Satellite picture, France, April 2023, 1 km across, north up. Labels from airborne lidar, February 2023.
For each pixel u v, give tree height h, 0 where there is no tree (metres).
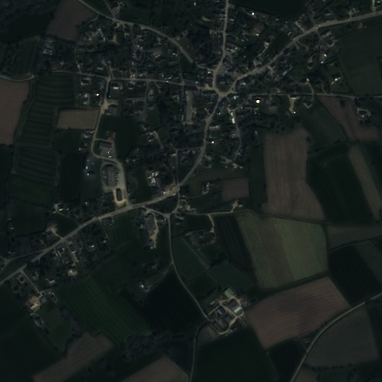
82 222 11
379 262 0
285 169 0
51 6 16
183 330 0
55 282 10
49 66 14
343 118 0
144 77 6
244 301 0
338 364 0
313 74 10
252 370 0
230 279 0
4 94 0
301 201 0
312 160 0
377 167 0
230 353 0
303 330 0
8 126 0
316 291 0
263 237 0
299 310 0
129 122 0
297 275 0
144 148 10
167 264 0
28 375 0
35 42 0
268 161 0
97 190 0
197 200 0
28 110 0
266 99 0
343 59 0
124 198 0
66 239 0
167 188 0
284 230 0
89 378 0
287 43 0
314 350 0
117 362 0
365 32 0
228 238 0
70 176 0
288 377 0
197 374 0
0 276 0
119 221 0
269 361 0
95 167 0
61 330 0
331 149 0
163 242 0
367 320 0
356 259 0
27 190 0
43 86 0
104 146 0
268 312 0
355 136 0
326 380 0
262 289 0
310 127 0
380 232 0
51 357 0
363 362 0
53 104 0
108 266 0
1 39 0
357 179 0
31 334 0
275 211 0
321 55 0
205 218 0
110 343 0
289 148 0
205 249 0
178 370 0
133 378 0
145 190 0
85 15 0
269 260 0
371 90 0
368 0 0
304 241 0
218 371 0
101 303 0
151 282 0
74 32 0
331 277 0
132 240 0
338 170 0
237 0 0
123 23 0
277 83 7
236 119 0
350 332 0
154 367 0
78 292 0
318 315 0
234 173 0
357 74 0
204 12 0
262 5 0
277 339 0
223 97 0
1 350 0
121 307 0
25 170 0
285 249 0
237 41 0
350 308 0
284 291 0
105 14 0
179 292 0
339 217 0
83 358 0
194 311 0
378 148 0
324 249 0
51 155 0
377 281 0
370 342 0
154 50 0
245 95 7
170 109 8
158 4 16
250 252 0
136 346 13
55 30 0
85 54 6
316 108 0
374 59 0
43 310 0
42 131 0
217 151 0
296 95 0
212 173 0
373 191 0
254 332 0
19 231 0
